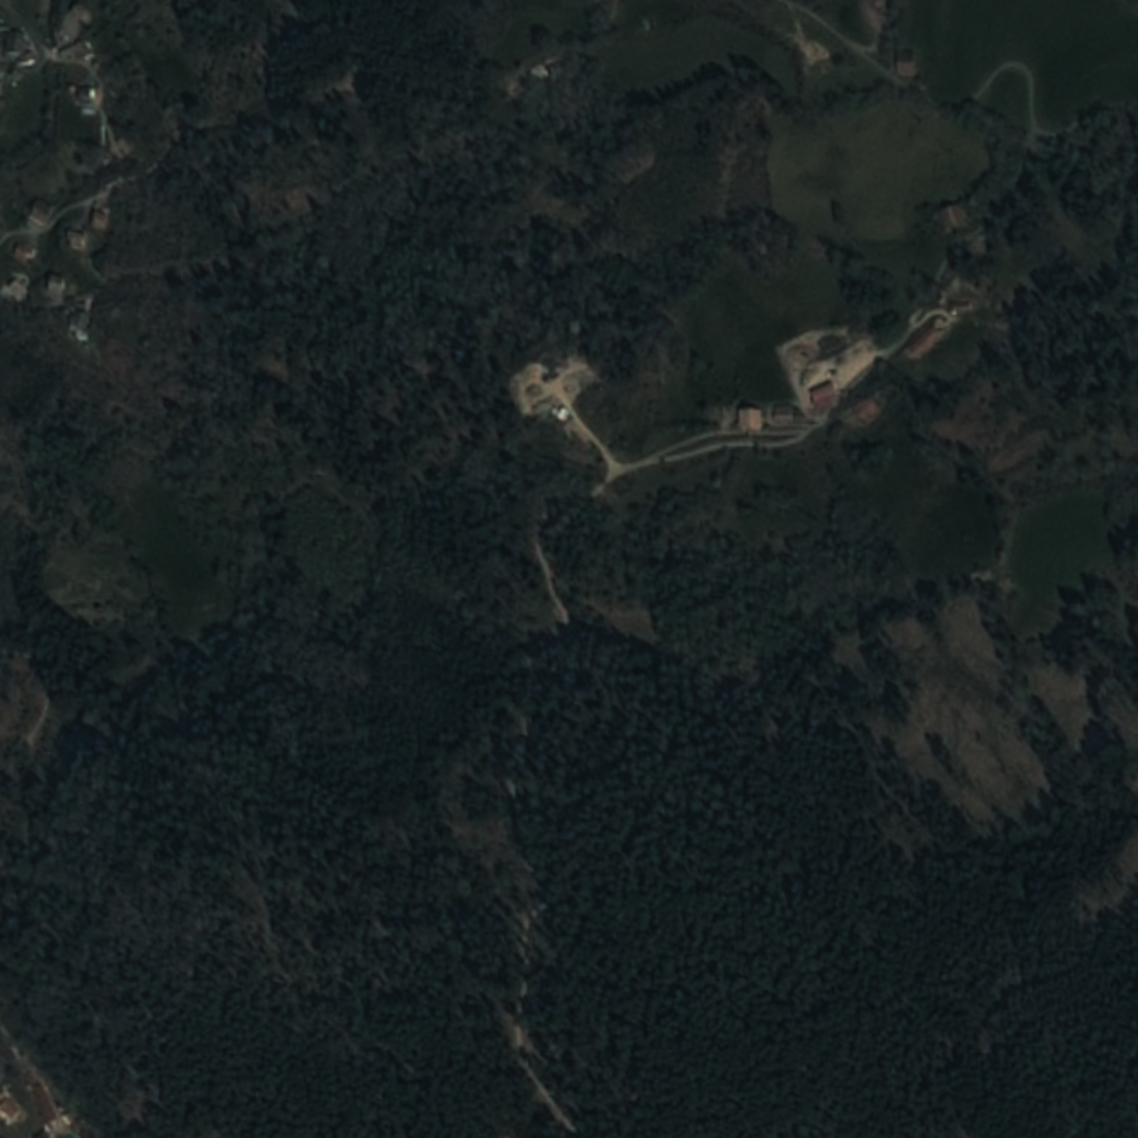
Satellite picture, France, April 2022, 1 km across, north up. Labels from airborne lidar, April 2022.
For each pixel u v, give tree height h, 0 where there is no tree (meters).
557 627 0
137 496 0
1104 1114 20
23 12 0
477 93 16
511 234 10
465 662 16
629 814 27
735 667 9
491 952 36
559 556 10
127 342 0
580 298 24
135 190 10
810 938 29
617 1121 28
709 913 28
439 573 18
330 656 28
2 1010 8
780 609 16
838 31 0
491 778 15
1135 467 9
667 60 0
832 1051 26
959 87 0
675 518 12
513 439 17
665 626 17
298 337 14
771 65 0
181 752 35
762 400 0
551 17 0
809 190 0
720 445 0
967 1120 24
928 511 0
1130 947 23
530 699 23
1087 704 0
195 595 0
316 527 11
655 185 6
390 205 7
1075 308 33
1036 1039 23
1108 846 14
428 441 21
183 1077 30
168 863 19
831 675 33
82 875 22
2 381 0
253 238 13
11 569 9
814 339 0
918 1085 25
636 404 0
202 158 16
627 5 0
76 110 0
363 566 6
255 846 17
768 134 8
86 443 18
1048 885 25
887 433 0
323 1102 31
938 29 0
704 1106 28
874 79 0
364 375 14
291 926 32
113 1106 24
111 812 17
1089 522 0
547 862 29
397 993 6
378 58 31
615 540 17
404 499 10
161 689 19
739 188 0
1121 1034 26
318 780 17
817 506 0
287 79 23
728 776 35
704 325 0
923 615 23
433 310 25
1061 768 25
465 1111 35
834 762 27
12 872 12
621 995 33
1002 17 0
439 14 33
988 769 0
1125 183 12
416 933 32
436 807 16
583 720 28
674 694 33
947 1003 24
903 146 0
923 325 0
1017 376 19
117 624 7
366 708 17
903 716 30
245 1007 19
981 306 0
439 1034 28
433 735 17
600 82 22
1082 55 0
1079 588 0
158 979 20
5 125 0
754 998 31
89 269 0
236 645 7
